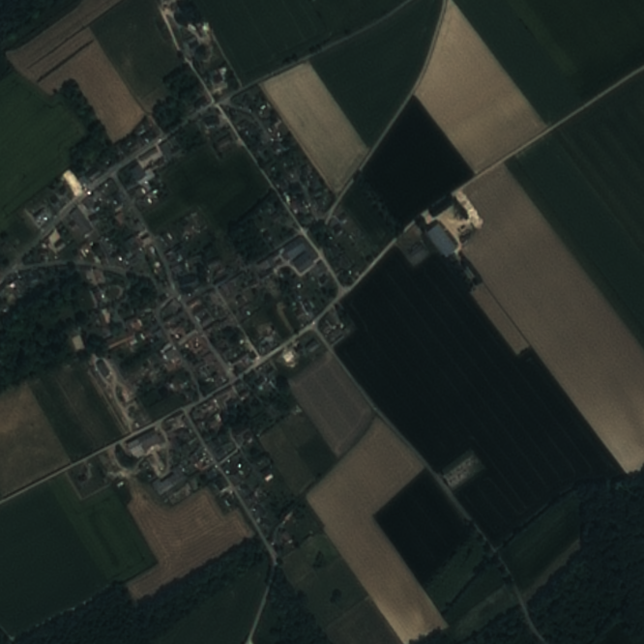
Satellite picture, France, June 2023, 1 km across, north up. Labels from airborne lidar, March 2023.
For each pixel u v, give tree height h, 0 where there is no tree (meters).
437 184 0
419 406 0
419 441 0
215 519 0
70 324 9
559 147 0
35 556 0
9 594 0
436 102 0
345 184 0
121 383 0
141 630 18
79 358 13
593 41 0
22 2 12
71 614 10
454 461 0
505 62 0
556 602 19
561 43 0
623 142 0
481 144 0
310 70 0
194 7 14
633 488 14
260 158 7
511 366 0
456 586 0
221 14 0
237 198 0
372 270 0
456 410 0
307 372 0
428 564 0
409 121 0
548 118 0
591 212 0
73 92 14
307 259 0
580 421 0
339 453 0
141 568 0
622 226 0
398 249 0
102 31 0
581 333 0
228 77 15
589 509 21
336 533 0
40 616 0
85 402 0
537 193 0
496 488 0
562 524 0
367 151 0
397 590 0
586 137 0
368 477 0
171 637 0
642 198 0
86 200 0
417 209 0
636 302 0
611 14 0
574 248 0
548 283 0
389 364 0
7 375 20
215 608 0
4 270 0
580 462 0
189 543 0
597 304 0
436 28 0
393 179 0
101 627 8
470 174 0
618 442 0
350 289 0
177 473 0
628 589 19
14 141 0
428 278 0
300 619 19
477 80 0
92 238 0
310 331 0
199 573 17
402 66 0
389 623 0
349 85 0
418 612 0
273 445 0
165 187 8
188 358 11
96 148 8
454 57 0
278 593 15
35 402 0
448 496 0
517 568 0
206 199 0
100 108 0
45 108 0
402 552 0
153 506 0
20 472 0
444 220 0
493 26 0
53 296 16
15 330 23
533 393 0
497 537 0
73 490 0
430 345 0
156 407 0
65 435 0
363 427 0
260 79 0
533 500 0
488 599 0
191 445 0
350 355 0
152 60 0
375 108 0
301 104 0
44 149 0
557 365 0
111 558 0
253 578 0
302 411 0
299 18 0
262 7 0
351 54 0
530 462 0
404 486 0
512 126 0
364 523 0
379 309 0
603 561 20
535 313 0
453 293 0
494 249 0
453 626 0
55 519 0
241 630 0
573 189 0
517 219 0
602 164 0
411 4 0
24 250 0
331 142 0
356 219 0
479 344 0
